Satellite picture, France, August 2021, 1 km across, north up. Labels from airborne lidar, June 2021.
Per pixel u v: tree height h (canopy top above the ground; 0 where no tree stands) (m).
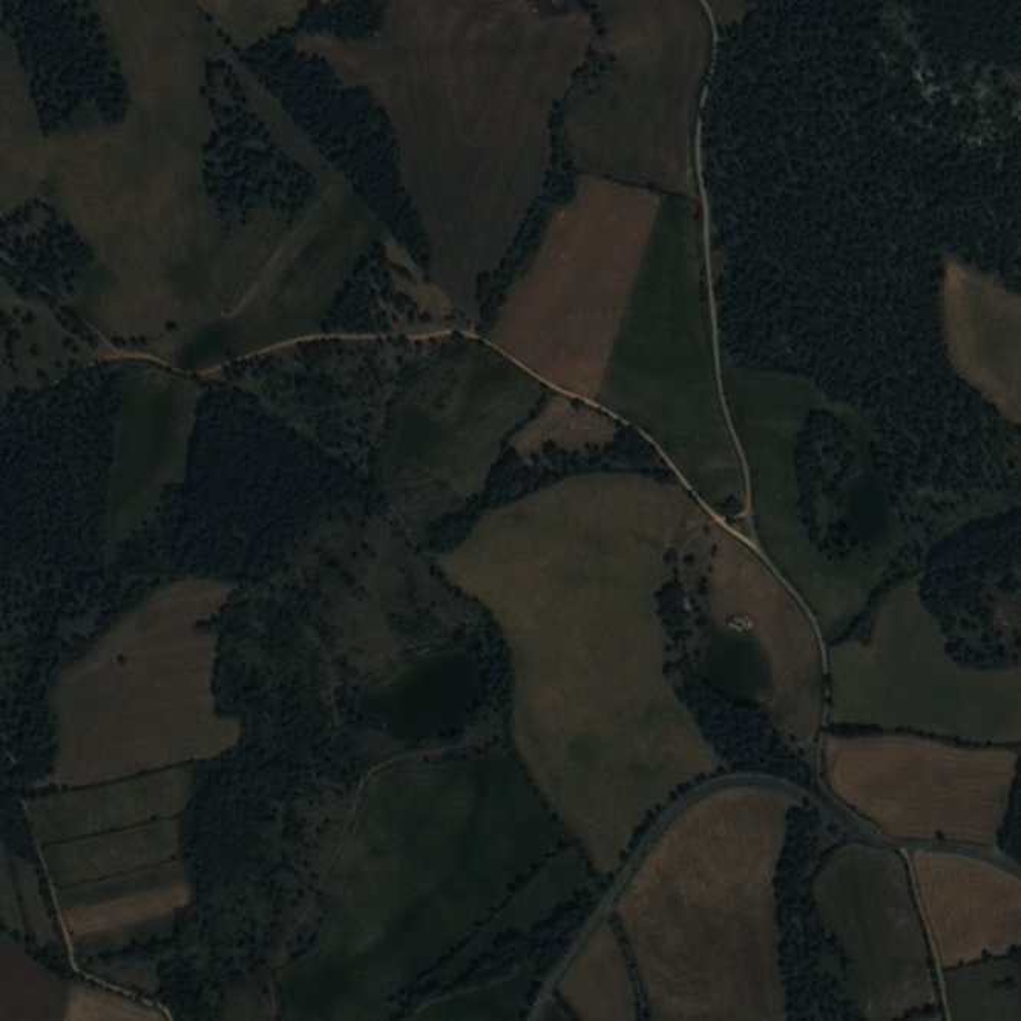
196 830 8
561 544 0
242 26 0
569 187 7
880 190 11
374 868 0
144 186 0
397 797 0
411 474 0
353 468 9
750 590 0
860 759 0
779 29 12
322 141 13
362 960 0
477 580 0
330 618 0
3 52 0
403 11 0
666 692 0
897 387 13
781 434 0
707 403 0
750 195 12
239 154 11
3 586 12
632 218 0
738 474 0
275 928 9
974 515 0
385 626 0
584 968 0
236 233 0
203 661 0
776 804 0
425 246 12
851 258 13
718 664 0
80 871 0
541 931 13
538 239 7
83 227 0
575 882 0
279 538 16
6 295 0
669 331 0
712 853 0
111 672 0
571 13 0
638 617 0
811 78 11
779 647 0
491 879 0
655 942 0
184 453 0
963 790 0
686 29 0
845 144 14
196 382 8
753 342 9
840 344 14
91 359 0
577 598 0
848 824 0
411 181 0
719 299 11
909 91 8
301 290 0
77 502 18
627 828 0
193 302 0
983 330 0
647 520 0
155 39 0
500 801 0
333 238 0
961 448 16
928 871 0
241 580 13
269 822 8
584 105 0
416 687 0
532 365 0
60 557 17
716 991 0
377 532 0
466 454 0
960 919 0
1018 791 13
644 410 0
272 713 8
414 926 0
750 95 15
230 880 14
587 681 0
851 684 0
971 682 0
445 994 7
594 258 0
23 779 14
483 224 0
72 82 14
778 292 16
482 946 0
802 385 0
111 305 0
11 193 0
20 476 20
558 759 0
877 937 0
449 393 0
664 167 0
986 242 14
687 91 0
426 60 0
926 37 6
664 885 0
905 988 0
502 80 0
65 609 11
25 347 0
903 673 0
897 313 13
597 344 0
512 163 0
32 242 12
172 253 0
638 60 0
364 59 0
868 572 0
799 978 12
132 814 0
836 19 13
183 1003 9
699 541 0
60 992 0
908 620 0
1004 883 0
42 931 0
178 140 0
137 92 0
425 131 0
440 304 0
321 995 0
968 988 0
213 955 7
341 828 0
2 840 11
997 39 11
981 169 11
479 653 16
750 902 0
